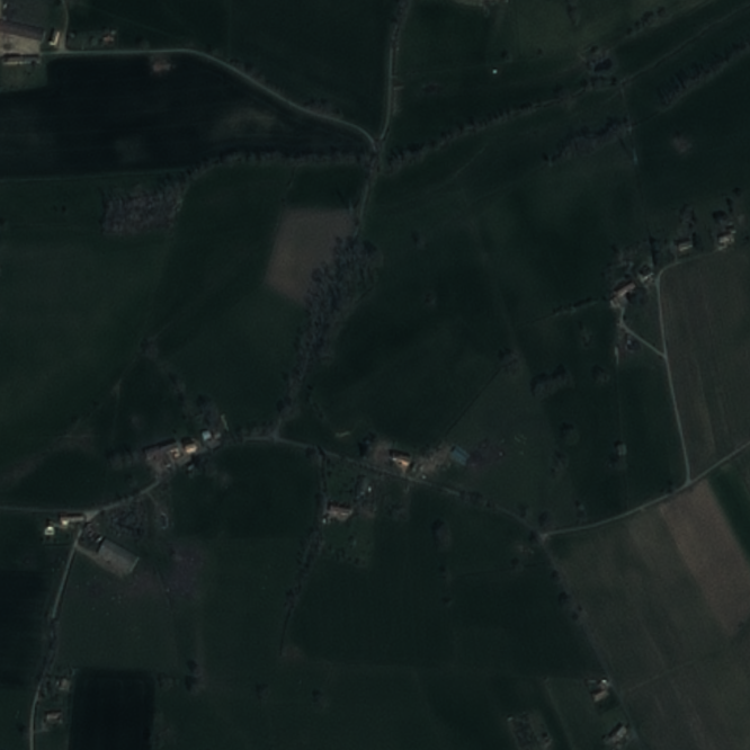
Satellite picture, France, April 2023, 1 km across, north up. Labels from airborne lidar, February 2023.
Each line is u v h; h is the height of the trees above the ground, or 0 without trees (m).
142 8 0
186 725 0
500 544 0
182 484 0
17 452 0
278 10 0
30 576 0
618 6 0
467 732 0
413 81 0
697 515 0
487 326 0
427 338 0
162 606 0
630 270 6
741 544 0
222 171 0
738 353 0
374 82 0
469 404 0
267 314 0
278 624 0
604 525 0
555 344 0
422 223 0
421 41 0
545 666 0
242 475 0
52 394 0
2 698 0
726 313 0
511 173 0
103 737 0
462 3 0
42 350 0
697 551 0
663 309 0
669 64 0
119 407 0
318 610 0
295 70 0
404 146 0
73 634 0
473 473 0
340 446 0
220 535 0
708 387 0
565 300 0
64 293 0
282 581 0
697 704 0
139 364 0
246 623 0
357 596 0
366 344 0
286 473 0
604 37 0
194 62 0
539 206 0
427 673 0
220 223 0
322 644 0
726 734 0
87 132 0
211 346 0
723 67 19
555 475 12
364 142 0
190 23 0
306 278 0
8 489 0
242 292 0
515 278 0
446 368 0
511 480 0
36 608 0
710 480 0
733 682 0
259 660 0
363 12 0
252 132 0
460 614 0
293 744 0
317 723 0
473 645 0
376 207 0
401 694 0
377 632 0
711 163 0
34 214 0
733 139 0
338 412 0
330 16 0
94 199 0
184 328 0
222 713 0
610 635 0
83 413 0
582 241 0
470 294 0
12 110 0
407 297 0
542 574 0
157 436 0
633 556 0
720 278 0
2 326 0
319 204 0
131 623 0
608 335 0
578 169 0
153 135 0
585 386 0
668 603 0
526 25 0
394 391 0
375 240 0
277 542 0
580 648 0
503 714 0
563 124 0
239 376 0
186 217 0
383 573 0
